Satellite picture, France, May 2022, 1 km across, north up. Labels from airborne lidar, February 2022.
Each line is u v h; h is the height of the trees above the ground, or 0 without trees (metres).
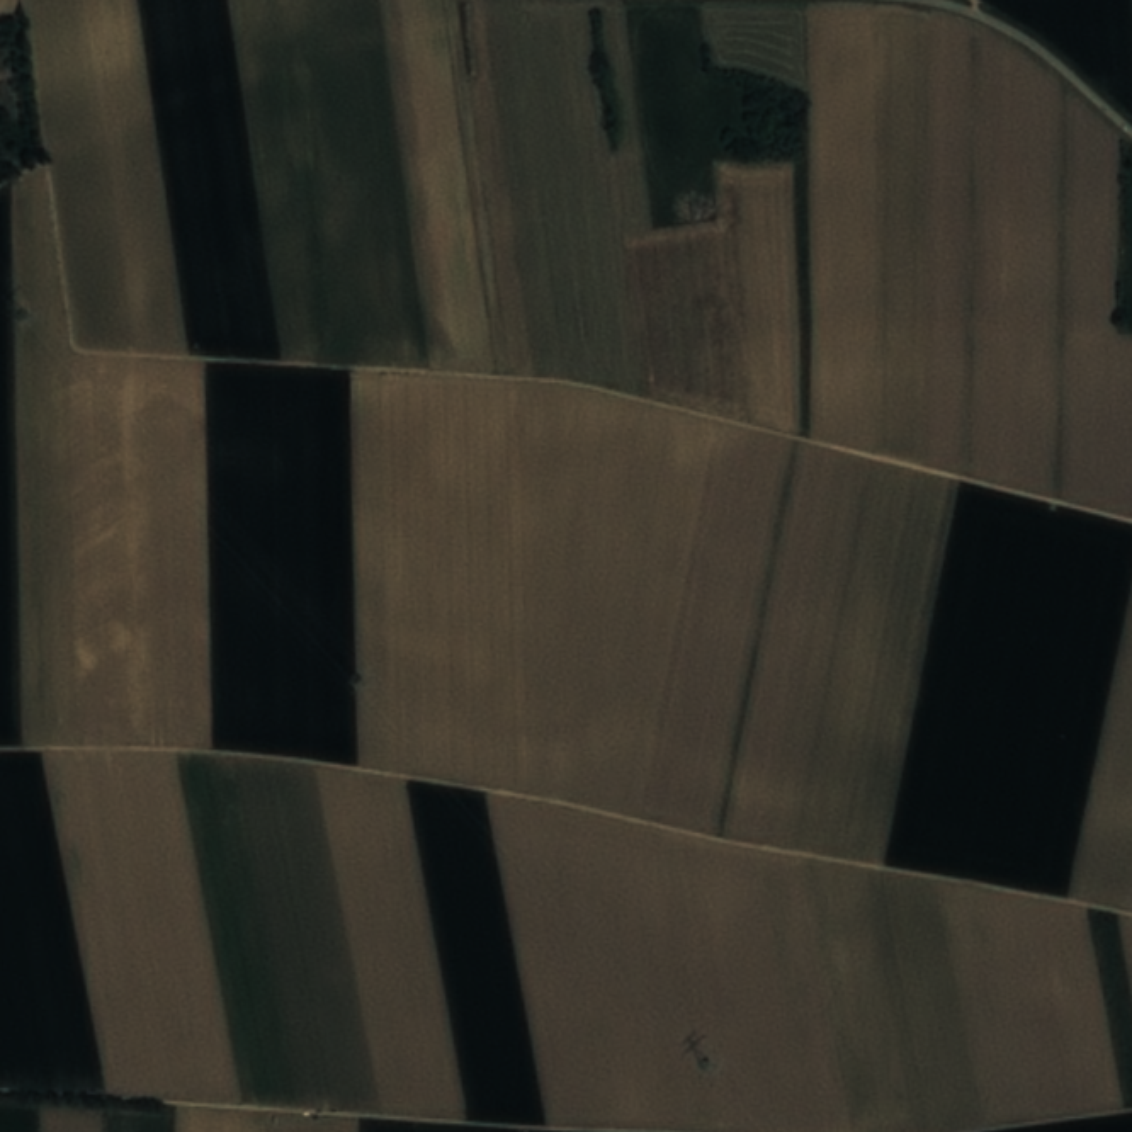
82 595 0
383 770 0
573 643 0
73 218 0
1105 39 0
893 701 0
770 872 0
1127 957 0
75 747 0
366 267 0
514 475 0
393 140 0
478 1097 0
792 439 0
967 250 0
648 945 0
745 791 0
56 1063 0
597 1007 0
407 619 0
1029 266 0
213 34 0
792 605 0
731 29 0
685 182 0
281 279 0
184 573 0
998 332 0
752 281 0
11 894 0
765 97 7
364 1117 0
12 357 0
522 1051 0
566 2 0
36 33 0
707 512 0
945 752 0
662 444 0
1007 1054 0
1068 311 0
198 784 0
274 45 0
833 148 0
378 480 0
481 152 0
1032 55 0
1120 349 0
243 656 0
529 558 0
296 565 0
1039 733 0
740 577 0
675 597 0
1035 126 0
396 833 0
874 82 0
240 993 0
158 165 0
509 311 0
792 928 0
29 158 10
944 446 0
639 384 0
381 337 0
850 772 0
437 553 0
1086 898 0
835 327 0
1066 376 0
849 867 0
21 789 0
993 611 0
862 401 0
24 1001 0
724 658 0
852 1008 0
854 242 0
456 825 0
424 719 0
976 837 0
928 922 0
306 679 0
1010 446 0
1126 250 0
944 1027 0
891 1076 0
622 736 0
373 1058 0
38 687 0
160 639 0
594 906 0
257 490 0
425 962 0
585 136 0
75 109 0
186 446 0
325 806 0
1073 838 0
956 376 0
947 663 0
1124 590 0
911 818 0
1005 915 0
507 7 0
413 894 0
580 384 0
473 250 0
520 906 0
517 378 0
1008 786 0
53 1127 0
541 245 0
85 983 0
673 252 0
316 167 0
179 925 0
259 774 0
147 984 0
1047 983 0
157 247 0
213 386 0
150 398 0
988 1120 0
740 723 0
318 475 0
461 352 0
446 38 0
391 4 0
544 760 0
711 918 0
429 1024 0
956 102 0
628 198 0
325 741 0
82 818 0
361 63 0
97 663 0
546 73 0
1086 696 0
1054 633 0
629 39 0
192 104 0
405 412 0
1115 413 0
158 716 0
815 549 0
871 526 0
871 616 0
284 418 0
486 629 0
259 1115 0
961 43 0
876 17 0
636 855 0
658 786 0
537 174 0
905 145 0
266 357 0
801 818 0
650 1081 0
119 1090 0
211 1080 0
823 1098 0
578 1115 0
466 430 0
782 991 0
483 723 0
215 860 0
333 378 0
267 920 0
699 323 0
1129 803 0
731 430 0
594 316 0
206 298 0
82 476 0
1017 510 0
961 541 0
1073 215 0
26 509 0
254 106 0
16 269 0
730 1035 0
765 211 0
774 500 0
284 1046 0
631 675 0
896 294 0
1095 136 0
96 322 0
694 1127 0
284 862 0
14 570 0
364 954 0
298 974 0
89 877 0
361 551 0
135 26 0
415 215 0
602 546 0
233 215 0
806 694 0
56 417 0
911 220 0
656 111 0
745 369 0
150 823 0
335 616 0
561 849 0
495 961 0
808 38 0
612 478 0
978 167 0
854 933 0
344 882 0
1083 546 0
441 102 0
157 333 0
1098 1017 0
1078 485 0
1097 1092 0
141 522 0
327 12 0
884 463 0
